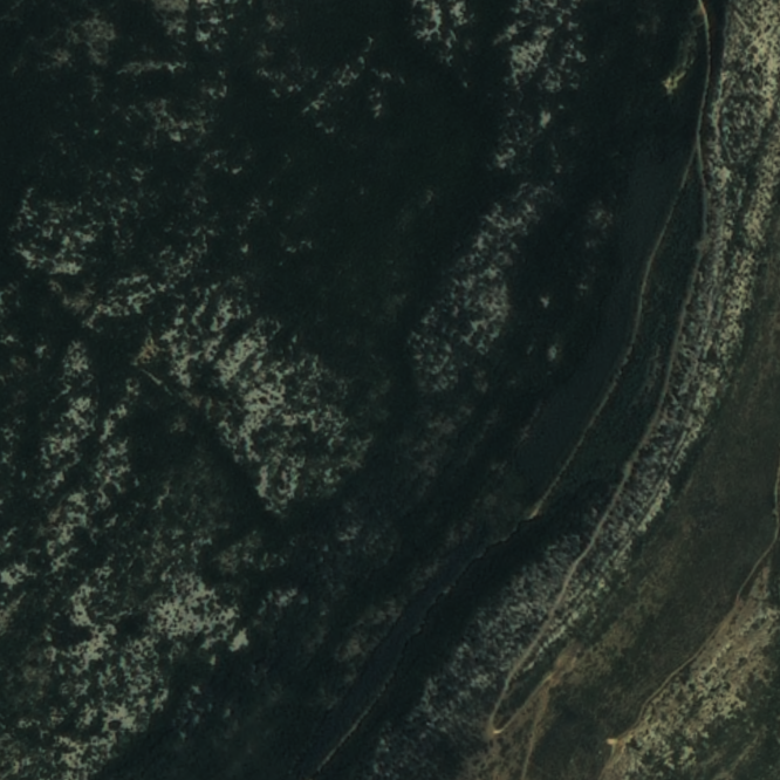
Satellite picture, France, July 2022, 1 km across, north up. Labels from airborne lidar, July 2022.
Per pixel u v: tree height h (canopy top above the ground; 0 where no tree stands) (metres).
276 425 6
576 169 6
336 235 7
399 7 7
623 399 6
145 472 6
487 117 7
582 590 0
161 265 6
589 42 6
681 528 0
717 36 6
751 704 0
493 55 6
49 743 6
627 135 6
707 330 0
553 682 0
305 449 6
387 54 7
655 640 0
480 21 6
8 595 6
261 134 6
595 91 6
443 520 5
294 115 7
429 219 8
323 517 8
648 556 0
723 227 0
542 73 6
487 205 6
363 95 6
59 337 6
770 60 0
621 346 8
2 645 7
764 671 0
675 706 0
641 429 6
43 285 6
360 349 5
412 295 6
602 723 0
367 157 6
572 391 7
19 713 9
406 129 6
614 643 0
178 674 9
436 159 8
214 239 6
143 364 6
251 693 7
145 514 7
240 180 7
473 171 8
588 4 6
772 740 0
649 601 0
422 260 9
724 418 0
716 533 0
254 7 5
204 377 8
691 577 0
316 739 8
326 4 6
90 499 6
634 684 0
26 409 5
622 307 7
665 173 6
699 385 0
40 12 5
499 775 0
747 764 0
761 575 0
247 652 7
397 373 9
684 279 7
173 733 7
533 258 8
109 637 7
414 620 12
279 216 6
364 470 8
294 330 6
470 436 6
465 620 7
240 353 0
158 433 6
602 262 8
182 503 7
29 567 6
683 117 6
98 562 6
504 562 7
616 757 0
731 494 0
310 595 6
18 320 6
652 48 7
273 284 7
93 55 0
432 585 8
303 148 6
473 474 6
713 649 0
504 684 0
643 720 0
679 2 7
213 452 9
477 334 6
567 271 6
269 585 8
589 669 0
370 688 12
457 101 10
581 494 5
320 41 5
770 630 0
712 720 0
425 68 8
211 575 7
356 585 6
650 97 9
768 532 0
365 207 7
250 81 6
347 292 6
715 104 0
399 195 8
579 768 0
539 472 8
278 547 8
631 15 6
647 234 8
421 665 7
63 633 7
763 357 0
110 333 7
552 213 6
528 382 6
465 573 8
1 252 5
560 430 9
